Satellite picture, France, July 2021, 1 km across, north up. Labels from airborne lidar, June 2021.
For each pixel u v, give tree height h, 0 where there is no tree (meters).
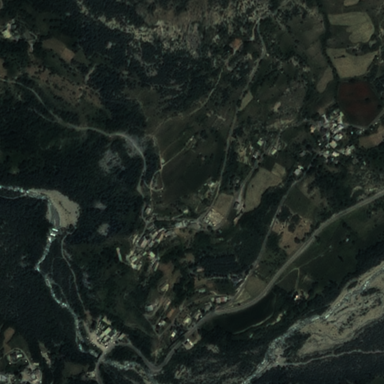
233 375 8
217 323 0
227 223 0
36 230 20
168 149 0
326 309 6
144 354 18
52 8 13
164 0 8
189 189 0
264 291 0
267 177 0
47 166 11
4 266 7
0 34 8
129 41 6
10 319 12
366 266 11
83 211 11
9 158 18
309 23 0
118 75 9
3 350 9
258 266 0
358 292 0
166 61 7
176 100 8
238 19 8
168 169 0
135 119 8
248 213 10
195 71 6
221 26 8
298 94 0
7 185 12
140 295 6
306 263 0
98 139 9
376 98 0
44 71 7
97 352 14
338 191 6
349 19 0
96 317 21
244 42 8
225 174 9
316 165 8
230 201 0
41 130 6
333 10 0
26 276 12
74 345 10
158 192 0
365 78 6
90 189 9
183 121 0
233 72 9
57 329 12
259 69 6
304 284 0
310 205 0
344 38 0
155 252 8
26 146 12
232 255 12
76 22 10
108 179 8
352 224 0
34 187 8
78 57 0
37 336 15
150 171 8
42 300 20
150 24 6
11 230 10
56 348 12
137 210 12
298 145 7
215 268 12
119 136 0
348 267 0
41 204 10
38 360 11
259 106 0
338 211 7
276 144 0
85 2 8
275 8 12
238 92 0
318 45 0
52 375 14
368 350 6
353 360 6
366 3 0
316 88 7
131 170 12
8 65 10
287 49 0
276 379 13
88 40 12
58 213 0
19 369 10
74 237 7
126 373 6
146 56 9
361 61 0
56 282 10
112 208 8
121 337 0
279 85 0
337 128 0
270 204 9
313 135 6
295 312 12
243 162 0
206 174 0
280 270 0
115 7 12
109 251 10
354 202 9
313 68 0
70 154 12
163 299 0
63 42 0
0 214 13
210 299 0
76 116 9
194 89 9
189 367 5
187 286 8
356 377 11
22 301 15
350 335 0
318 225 10
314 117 9
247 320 0
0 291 10
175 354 8
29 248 16
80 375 9
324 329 0
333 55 0
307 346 0
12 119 14
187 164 0
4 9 10
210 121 0
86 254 7
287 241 0
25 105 14
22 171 8
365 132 7
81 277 10
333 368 5
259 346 8
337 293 6
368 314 0
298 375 7
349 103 0
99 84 11
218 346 10
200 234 6
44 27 0
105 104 7
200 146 0
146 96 0
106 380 8
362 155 7
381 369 9
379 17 0
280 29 7
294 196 0
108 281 7
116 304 7
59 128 10
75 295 9
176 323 12
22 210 14
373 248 14
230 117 0
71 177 14
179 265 11
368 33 0
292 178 8
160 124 0
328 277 0
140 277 6
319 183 14
